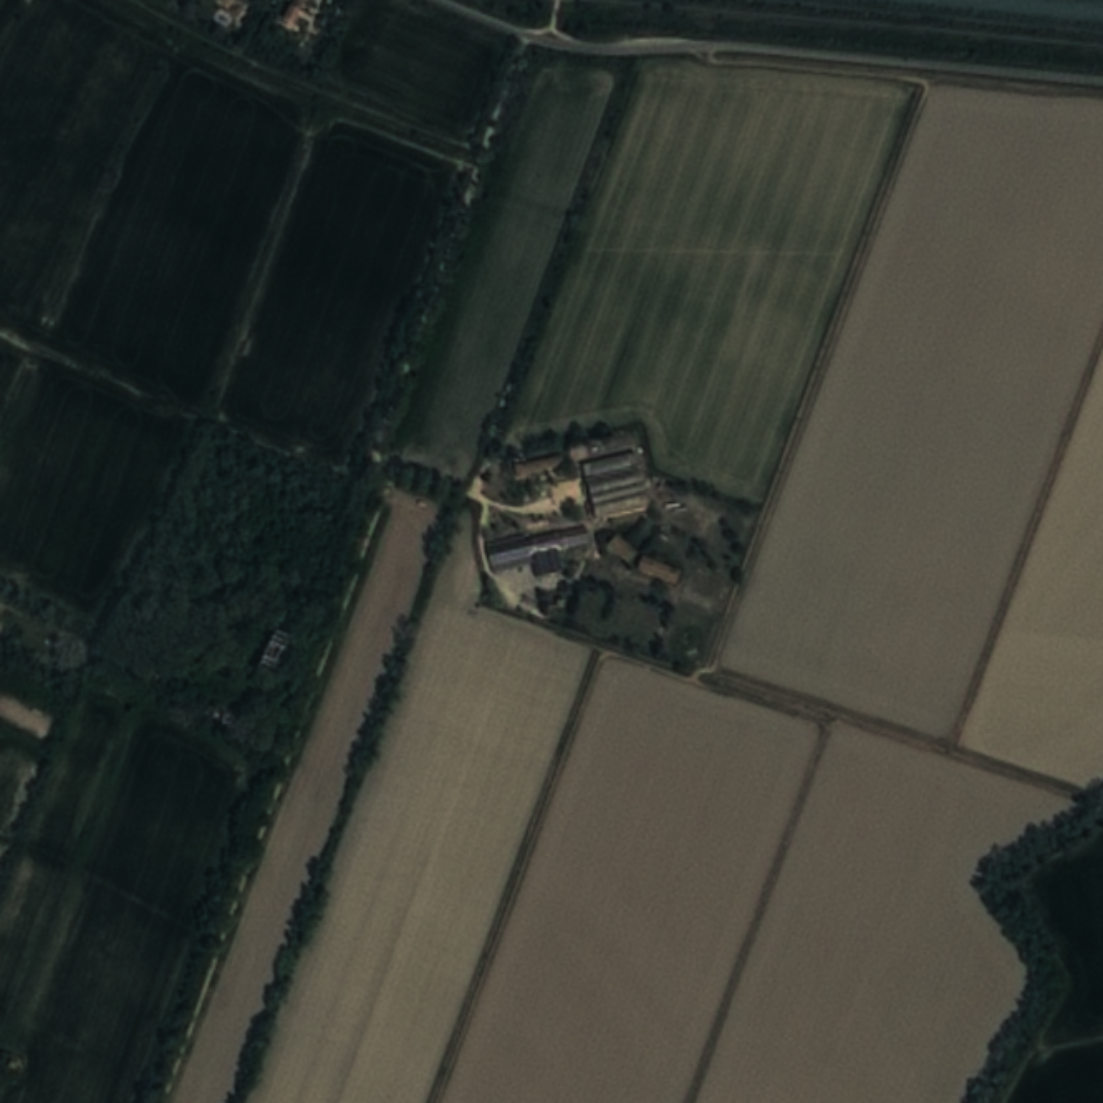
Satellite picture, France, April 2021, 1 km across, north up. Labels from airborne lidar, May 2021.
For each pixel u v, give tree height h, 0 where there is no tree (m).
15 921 0
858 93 0
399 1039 0
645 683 0
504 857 0
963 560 0
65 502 0
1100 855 0
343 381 0
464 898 0
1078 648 0
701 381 0
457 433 0
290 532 10
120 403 0
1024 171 0
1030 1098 0
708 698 0
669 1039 0
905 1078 0
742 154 0
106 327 0
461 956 0
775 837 0
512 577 0
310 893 15
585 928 0
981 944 0
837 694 0
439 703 0
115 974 0
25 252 0
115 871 0
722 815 0
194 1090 0
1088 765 0
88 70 0
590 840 0
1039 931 21
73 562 0
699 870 0
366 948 0
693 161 0
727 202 0
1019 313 0
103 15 0
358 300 0
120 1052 0
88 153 0
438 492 28
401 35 0
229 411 0
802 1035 0
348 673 0
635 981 0
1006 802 0
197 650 28
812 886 0
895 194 0
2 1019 0
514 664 0
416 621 10
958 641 0
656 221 0
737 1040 0
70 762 0
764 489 0
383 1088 0
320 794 0
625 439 0
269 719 26
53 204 0
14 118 0
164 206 0
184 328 0
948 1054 0
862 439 0
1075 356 0
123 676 26
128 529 0
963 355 0
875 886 0
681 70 0
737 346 0
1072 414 0
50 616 16
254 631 19
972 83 0
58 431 0
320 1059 0
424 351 19
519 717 0
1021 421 0
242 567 11
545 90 0
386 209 0
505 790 0
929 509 0
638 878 0
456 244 13
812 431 0
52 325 0
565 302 0
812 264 0
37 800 11
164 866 0
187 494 16
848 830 0
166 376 0
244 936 0
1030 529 0
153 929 0
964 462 0
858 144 0
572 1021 0
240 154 0
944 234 0
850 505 0
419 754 0
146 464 0
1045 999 15
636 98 0
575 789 0
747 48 0
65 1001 0
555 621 7
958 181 0
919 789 0
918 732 0
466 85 0
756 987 0
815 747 0
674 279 0
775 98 0
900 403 0
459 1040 0
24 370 0
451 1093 0
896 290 0
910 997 0
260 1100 0
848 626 0
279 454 12
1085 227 0
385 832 0
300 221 0
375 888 0
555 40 0
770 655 0
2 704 0
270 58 7
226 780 0
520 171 0
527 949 0
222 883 16
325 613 17
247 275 0
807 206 0
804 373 0
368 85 0
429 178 0
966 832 0
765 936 0
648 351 0
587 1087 0
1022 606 0
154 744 0
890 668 0
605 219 0
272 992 13
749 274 0
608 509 0
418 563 0
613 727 0
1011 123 0
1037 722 0
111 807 0
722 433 0
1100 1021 0
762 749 0
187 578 20
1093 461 0
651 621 0
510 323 0
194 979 9
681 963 0
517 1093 0
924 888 0
